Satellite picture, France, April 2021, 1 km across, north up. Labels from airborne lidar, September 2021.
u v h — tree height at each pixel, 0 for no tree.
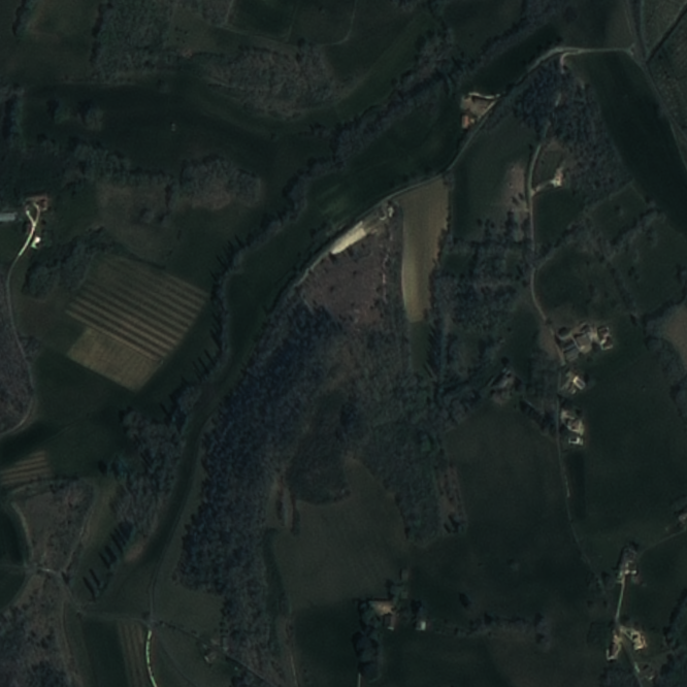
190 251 0
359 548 0
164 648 0
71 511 7
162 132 0
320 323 7
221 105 0
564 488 0
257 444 24
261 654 15
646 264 0
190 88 0
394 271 7
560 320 0
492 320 19
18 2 0
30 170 0
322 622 0
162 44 12
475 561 0
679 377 15
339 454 6
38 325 0
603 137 7
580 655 0
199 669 0
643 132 0
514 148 0
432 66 10
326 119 0
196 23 0
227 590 14
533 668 0
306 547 0
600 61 0
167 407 0
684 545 0
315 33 0
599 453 0
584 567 0
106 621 0
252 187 22
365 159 0
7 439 0
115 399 0
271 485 16
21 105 18
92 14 0
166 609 0
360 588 0
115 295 0
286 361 19
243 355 0
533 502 0
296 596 0
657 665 0
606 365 0
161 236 0
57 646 15
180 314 0
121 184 18
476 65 13
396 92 10
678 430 0
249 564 15
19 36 16
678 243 0
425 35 0
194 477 0
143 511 37
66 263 15
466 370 7
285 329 11
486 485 0
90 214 0
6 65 0
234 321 0
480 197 0
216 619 0
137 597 0
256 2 0
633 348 0
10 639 12
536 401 9
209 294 0
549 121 11
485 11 0
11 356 18
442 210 0
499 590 0
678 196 0
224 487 24
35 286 19
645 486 0
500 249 14
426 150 0
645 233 12
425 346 0
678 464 0
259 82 16
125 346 0
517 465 0
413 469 25
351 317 0
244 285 0
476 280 12
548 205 0
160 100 0
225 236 0
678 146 0
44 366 0
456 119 0
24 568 0
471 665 0
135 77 0
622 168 6
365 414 23
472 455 0
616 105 0
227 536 11
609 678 12
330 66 0
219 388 0
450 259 0
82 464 0
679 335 0
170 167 0
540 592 0
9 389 17
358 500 0
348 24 0
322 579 0
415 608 7
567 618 0
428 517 19
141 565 0
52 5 0
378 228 0
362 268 0
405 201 0
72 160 7
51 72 0
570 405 13
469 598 0
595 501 0
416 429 21
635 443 0
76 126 0
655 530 0
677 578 0
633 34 0
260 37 0
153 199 0
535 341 11
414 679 0
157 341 0
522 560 0
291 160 0
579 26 0
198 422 0
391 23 0
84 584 0
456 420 17
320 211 0
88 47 0
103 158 24
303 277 0
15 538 0
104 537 0
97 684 0
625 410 0
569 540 0
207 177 17
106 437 0
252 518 19
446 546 0
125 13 22
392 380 17
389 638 0
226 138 0
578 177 7
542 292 0
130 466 0
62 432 0
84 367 0
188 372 0
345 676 0
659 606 0
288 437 24
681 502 10
